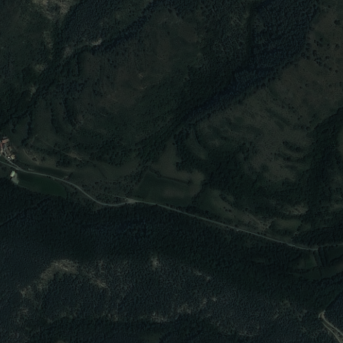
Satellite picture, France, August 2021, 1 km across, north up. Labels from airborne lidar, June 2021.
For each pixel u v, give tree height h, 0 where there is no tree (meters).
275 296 19
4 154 7
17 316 8
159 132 9
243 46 31
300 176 8
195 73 15
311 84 0
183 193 0
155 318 8
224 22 20
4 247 7
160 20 0
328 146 23
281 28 26
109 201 8
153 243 14
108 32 11
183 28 0
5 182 13
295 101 0
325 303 12
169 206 14
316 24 0
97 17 12
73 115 8
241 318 8
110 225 12
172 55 0
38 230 28
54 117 10
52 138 0
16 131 12
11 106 10
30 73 15
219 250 15
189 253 15
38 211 18
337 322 9
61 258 7
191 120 30
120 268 6
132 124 6
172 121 13
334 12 0
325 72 0
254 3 11
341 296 8
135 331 20
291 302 12
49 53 11
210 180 12
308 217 13
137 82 0
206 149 9
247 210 13
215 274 11
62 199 11
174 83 7
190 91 15
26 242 11
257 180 9
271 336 15
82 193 0
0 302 8
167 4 13
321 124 11
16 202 26
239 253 17
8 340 10
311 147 7
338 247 11
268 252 13
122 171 0
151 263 10
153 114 8
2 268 11
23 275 12
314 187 27
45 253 12
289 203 13
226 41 17
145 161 8
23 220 28
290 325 8
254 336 6
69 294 15
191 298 15
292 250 9
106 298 16
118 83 0
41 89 11
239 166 9
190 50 0
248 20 11
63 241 21
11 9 0
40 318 16
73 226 16
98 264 9
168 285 11
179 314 9
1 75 9
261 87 10
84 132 6
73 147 8
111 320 9
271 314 11
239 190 12
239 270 21
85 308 14
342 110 15
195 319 16
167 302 13
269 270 25
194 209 18
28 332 15
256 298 14
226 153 15
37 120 0
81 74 9
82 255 13
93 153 12
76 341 6
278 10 8
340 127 18
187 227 20
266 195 14
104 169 0
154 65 0
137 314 16
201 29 10
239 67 12
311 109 0
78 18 17
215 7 20
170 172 0
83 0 18
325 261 11
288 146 14
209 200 0
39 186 0
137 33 11
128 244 19
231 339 18
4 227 14
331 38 0
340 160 9
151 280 16
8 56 8
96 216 13
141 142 14
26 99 15
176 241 16
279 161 0
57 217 21
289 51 30
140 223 23
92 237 26
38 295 13
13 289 10
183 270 17
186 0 27
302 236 13
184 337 13
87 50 7
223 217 0
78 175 0
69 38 13
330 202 10
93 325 18
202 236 23
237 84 21
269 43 18
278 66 25
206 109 26
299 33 20
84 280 10
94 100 0
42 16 6
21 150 0
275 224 8
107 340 14
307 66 0
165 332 8
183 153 10
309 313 12
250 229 0
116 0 9
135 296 14
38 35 0
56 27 7
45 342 16
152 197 0
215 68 10
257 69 8
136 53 6
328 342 9
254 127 0
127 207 12
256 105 0
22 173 0
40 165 0
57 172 0
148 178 0
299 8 23
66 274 11
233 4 23
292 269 13
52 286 10
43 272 7
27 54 7
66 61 10
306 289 23
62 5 0
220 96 27
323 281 14
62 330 14
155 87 9
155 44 0
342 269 0
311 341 13
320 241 9
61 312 9
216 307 8
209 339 21
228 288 10
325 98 0
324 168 20
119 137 9
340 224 9
